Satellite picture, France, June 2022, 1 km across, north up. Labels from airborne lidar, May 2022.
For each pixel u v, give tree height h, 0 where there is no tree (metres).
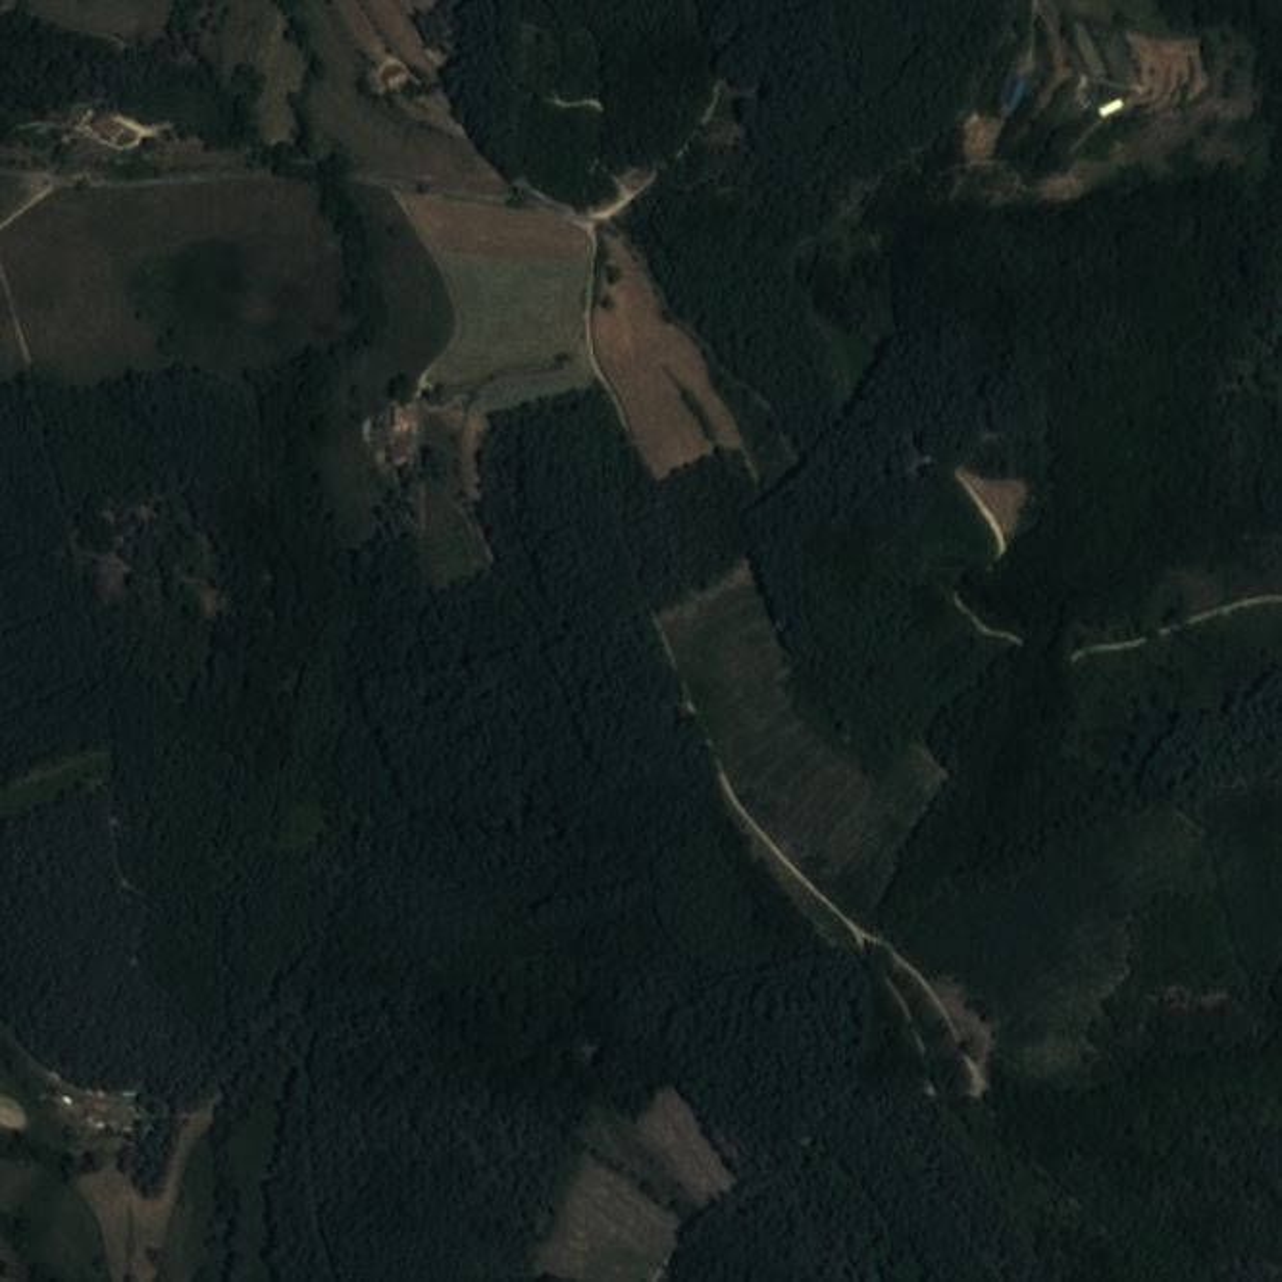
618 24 21
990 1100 14
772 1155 23
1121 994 10
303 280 0
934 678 9
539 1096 11
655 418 0
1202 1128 16
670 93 23
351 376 0
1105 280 18
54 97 16
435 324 0
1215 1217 16
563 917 27
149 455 13
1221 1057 16
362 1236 19
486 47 31
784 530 35
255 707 18
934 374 32
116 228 0
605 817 15
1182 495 18
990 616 9
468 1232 20
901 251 19
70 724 15
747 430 8
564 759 12
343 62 0
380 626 13
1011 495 0
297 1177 20
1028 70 0
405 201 0
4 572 15
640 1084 21
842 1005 23
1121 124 12
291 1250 20
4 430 18
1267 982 17
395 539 19
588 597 23
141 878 12
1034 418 28
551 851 20
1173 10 15
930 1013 0
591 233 0
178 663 11
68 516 7
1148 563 19
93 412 10
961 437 30
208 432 20
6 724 16
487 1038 25
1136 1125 15
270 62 0
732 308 23
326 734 17
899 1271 14
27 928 19
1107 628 17
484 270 0
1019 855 18
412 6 0
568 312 0
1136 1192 15
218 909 17
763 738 0
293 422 16
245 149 12
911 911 15
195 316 0
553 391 0
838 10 17
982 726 18
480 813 22
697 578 18
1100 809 11
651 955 10
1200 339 18
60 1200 0
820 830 0
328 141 0
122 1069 19
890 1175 18
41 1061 16
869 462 31
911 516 34
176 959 16
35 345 0
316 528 21
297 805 7
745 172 8
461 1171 17
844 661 20
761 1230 34
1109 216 9
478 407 0
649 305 0
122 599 0
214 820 10
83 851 15
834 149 19
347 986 14
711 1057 28
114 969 17
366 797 12
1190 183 9
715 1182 0
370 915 11
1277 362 11
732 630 0
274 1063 21
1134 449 14
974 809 21
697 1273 20
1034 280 19
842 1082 25
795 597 32
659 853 8
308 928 17
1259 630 0
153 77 10
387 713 33
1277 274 22
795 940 14
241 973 19
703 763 20
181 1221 0
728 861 10
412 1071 6
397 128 0
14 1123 0
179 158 0
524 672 14
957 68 22
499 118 36
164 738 14
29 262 0
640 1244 0
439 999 11
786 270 16
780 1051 27
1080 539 11
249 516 20
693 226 20
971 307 19
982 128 0
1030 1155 11
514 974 10
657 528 16
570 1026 18
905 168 7
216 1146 12
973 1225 14
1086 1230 10
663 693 34
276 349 0
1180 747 25
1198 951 12
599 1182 0
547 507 22
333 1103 17
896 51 22
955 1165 14
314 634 13
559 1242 0
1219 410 11
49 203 0
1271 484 19
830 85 32
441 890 6
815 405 16
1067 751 17
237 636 17
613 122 18
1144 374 11
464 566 0
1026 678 21
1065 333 17
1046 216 16
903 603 18
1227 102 8
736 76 34
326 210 12
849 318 12
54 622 16
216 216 0
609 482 20
